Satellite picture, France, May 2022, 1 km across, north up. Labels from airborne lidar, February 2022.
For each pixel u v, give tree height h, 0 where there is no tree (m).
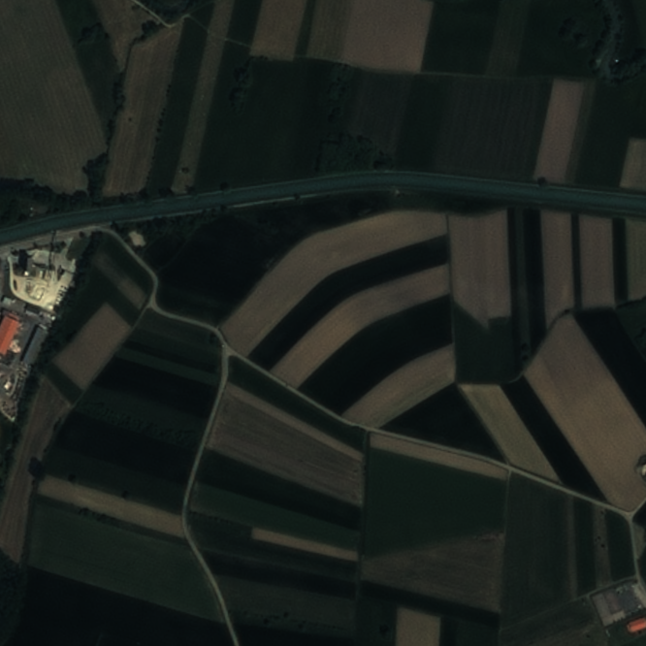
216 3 0
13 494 0
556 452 0
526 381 0
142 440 0
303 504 0
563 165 0
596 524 0
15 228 0
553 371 0
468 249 0
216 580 0
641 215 0
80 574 0
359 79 0
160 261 0
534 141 0
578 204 0
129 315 0
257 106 0
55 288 0
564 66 0
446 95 0
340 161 16
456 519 0
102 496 0
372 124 0
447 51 0
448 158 0
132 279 0
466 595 0
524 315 0
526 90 0
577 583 0
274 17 0
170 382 0
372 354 0
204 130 0
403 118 0
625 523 0
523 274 0
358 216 0
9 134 0
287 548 0
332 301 0
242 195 0
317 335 0
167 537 0
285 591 0
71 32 0
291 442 0
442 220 0
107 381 0
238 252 0
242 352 0
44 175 0
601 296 0
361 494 0
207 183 0
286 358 0
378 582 0
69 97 0
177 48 0
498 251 0
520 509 0
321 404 0
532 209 0
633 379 0
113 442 0
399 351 0
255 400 0
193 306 0
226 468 0
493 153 0
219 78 0
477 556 0
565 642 0
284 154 0
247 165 0
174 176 0
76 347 0
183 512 0
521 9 0
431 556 0
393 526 0
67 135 0
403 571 0
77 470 0
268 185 0
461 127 0
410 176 0
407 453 0
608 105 0
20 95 0
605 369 0
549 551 0
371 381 0
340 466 0
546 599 0
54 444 0
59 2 0
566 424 0
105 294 0
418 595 0
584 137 0
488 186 0
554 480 0
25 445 0
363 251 0
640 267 0
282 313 0
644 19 0
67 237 0
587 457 0
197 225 12
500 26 0
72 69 0
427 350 0
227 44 0
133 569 0
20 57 0
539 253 0
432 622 0
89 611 0
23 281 0
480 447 0
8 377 0
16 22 0
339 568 0
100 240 21
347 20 0
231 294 0
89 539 0
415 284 0
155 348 0
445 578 0
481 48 0
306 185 0
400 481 0
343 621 0
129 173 0
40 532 0
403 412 0
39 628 0
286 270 0
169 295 0
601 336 0
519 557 0
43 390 0
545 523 0
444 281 0
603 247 0
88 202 16
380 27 0
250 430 0
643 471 0
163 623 0
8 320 0
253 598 0
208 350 0
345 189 0
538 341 0
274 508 0
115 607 0
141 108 0
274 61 0
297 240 0
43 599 0
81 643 0
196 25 0
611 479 0
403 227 0
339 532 0
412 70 0
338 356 0
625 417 0
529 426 0
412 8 0
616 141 0
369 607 0
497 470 0
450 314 0
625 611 0
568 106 0
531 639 0
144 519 0
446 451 0
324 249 0
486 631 0
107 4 0
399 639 0
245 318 0
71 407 0
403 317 0
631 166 0
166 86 0
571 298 0
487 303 0
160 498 0
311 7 0
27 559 0
